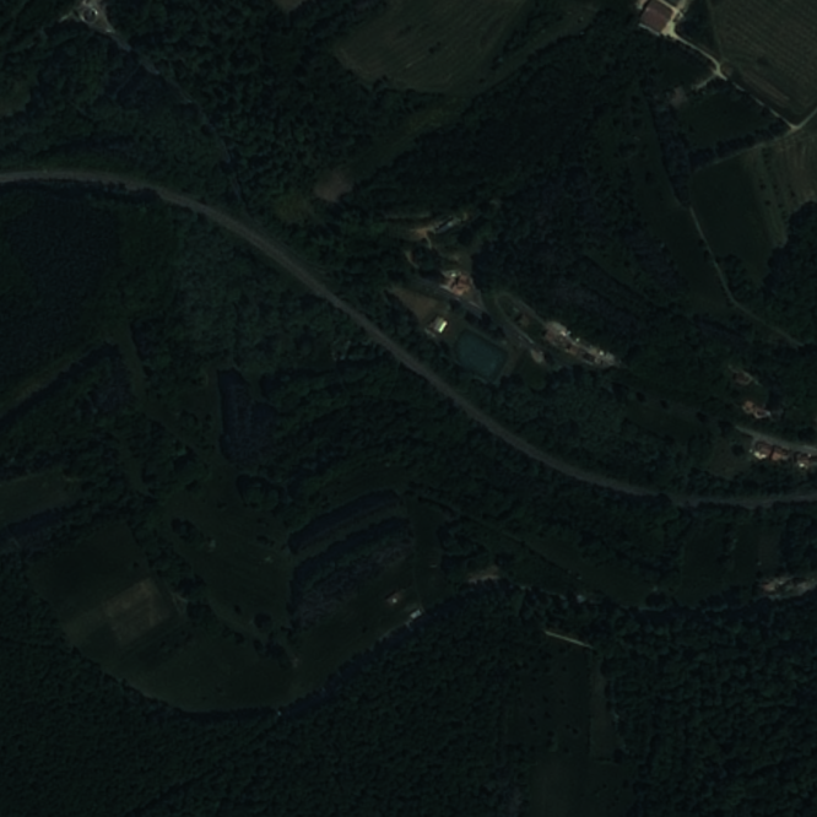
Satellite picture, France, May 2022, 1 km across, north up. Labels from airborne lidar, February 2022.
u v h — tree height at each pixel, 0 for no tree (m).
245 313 26
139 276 31
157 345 16
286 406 23
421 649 28
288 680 0
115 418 23
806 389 25
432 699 31
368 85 0
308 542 20
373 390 19
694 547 0
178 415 7
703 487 15
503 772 24
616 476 14
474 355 0
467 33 0
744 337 21
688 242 0
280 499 22
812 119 0
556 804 0
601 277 20
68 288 23
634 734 21
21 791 22
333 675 0
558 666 0
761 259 0
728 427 18
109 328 20
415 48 0
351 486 0
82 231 21
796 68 0
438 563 0
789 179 0
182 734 24
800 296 24
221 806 25
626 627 25
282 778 28
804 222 21
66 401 21
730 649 33
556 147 16
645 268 21
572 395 30
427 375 0
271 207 0
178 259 22
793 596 0
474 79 0
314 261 18
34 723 24
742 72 0
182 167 22
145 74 25
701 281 0
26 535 24
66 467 8
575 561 0
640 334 24
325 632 0
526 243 29
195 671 0
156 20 30
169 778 23
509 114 16
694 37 15
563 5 0
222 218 0
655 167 0
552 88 18
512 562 26
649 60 12
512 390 21
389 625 0
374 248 20
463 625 27
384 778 29
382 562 20
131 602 0
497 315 0
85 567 0
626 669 20
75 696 27
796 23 0
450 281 0
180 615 0
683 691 35
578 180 26
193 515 0
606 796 0
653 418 0
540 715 0
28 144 26
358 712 30
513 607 26
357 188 14
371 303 27
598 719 0
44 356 15
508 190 11
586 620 10
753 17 0
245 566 0
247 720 22
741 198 0
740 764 32
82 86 37
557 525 21
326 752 30
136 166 23
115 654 0
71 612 0
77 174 0
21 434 13
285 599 0
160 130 27
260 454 29
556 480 13
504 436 0
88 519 8
